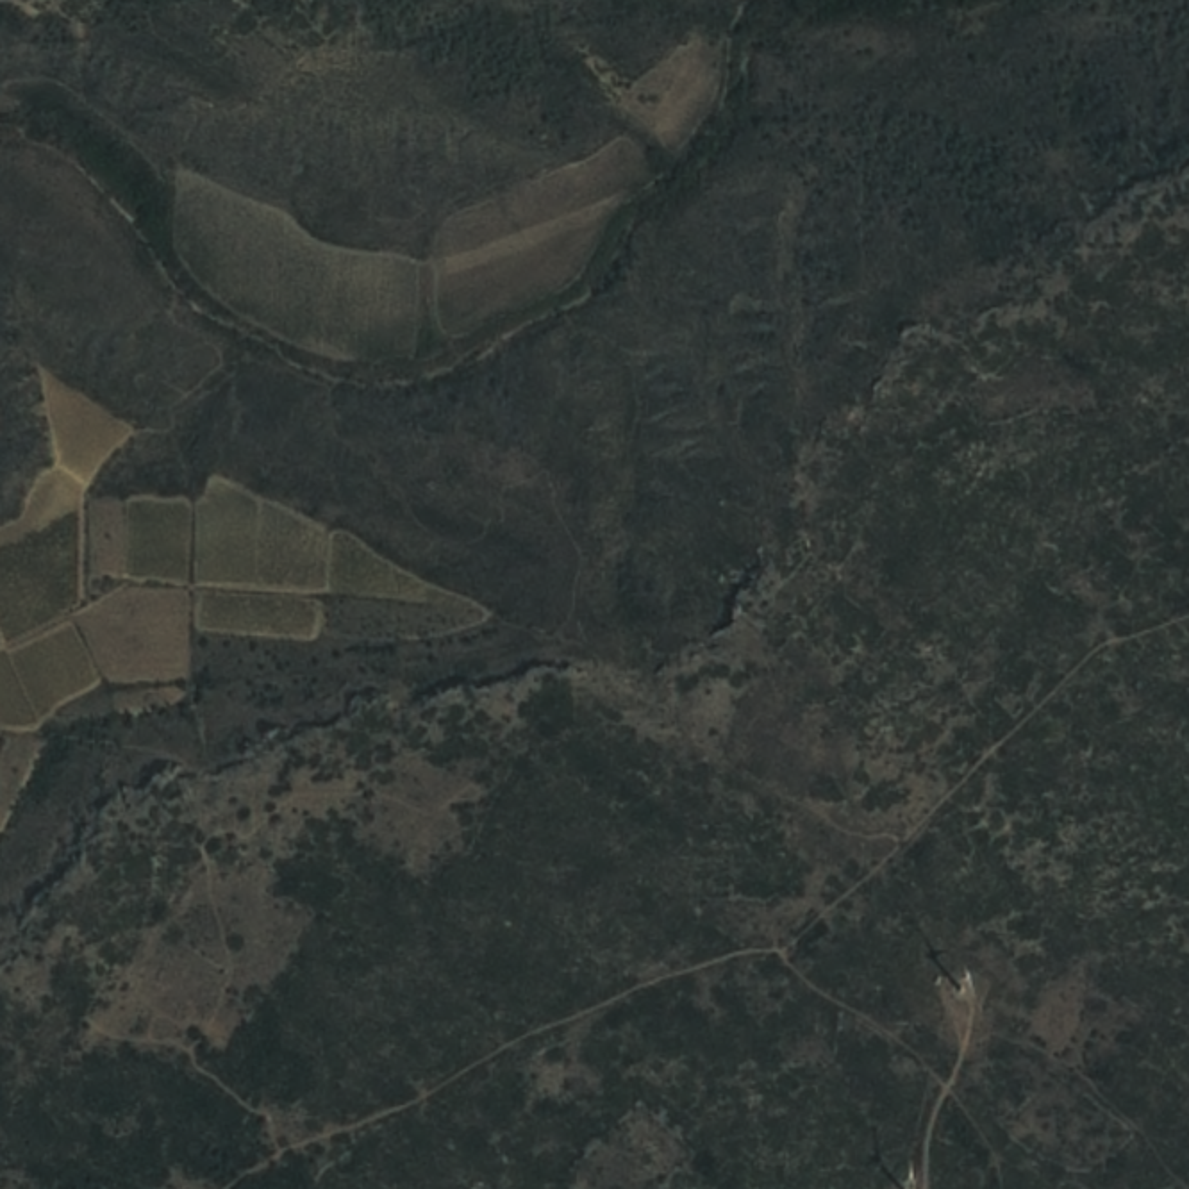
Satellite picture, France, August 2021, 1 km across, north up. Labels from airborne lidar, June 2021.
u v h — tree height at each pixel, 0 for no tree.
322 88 0
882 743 0
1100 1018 0
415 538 0
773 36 12
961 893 0
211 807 0
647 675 0
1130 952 0
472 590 0
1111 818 0
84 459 0
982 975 0
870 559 0
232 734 0
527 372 0
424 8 8
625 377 0
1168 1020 0
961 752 0
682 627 0
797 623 0
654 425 0
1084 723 0
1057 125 0
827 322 0
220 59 0
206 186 0
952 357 0
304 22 0
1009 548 0
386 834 0
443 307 0
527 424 0
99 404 0
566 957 0
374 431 0
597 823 0
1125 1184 0
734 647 0
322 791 0
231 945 0
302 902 0
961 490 0
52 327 0
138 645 0
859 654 0
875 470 0
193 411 0
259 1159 0
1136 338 0
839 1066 0
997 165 12
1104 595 0
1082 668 0
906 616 0
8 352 0
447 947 0
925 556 0
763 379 0
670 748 0
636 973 0
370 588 0
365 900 0
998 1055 0
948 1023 0
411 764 0
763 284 0
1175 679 0
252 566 0
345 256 0
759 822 0
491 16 13
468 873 0
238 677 0
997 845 0
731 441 0
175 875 0
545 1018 0
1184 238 0
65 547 0
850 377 0
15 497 0
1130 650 0
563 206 0
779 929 0
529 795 0
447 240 0
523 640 0
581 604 0
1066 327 0
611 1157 0
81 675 0
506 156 0
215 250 0
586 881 0
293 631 0
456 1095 0
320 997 0
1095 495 0
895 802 0
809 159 10
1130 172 10
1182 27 10
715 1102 0
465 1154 0
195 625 0
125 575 0
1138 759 0
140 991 0
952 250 0
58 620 0
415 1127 0
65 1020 0
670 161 12
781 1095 0
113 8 7
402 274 0
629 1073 0
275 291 0
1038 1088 0
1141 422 0
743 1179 0
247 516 0
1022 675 0
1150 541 0
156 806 0
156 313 0
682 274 0
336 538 0
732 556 0
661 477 0
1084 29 0
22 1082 0
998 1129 0
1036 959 0
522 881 0
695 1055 0
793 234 0
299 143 0
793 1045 0
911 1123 0
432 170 0
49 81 0
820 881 0
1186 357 0
